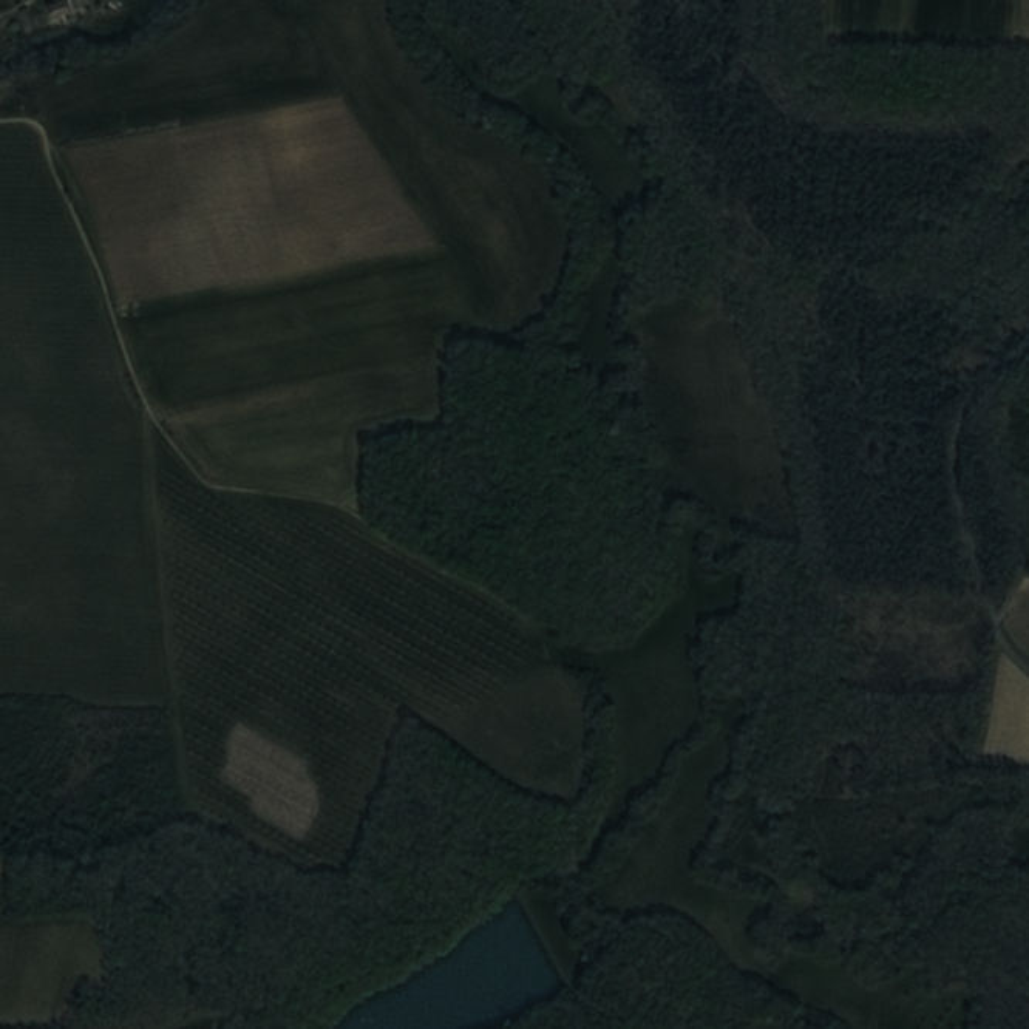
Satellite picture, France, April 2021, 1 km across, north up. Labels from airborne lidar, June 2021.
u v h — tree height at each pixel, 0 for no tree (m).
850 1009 0
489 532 21
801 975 0
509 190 0
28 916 12
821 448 17
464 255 0
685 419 0
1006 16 0
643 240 28
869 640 12
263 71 0
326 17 0
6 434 0
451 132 0
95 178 0
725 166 19
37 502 0
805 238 20
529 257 0
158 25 21
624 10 12
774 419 19
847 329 21
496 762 0
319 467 0
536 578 21
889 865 8
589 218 19
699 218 21
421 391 0
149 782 6
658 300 13
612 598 20
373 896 20
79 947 0
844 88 15
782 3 19
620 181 0
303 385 0
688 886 0
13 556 0
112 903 15
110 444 0
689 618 0
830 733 17
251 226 0
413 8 16
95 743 9
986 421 19
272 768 0
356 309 0
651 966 15
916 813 9
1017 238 21
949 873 23
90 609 0
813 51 16
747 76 15
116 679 0
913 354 11
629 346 21
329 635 6
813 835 6
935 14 0
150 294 0
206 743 7
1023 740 0
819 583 22
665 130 27
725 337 0
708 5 19
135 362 0
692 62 16
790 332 16
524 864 17
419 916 18
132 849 21
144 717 6
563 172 17
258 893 20
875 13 0
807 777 14
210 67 0
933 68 18
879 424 10
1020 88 19
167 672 0
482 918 20
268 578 7
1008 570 21
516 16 19
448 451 16
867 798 17
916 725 20
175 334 0
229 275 0
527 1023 18
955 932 26
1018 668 0
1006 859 21
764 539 23
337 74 0
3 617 0
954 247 22
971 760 12
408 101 0
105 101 0
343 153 0
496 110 21
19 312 0
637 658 0
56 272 0
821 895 22
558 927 0
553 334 21
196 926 22
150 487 0
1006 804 15
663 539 19
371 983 15
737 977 17
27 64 19
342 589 6
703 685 16
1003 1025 25
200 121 0
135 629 0
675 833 0
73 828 10
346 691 7
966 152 18
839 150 20
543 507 21
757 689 19
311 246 0
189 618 6
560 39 26
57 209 0
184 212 0
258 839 0
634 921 15
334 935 23
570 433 21
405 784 18
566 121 0
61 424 0
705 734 17
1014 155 23
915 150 15
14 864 17
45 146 0
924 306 21
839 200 16
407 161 0
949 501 18
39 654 0
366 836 14
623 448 24
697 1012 17
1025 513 17
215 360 0
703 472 0
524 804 17
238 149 0
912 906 20
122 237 0
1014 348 19
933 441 18
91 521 0
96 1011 19
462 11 19
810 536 21
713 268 22
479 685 6
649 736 0
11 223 0
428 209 0
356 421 0
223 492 0
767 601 23
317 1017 17
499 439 21
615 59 25
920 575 20
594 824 20
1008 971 22
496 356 22
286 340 0
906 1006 0
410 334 0
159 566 0
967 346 7
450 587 7
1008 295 9
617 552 23
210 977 18
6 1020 0
